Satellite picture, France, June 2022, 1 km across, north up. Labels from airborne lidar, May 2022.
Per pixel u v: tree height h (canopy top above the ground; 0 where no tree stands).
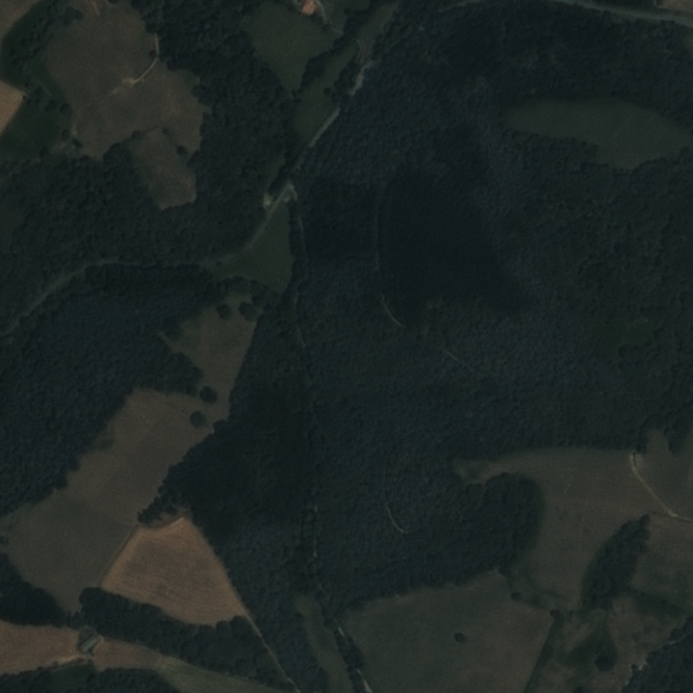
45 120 0
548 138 6
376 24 0
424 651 0
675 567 0
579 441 9
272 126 25
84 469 0
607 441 8
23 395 13
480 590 0
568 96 15
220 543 13
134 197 7
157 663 0
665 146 0
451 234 18
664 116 15
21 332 10
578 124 0
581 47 23
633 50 22
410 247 16
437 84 22
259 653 15
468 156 15
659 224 18
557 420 7
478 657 0
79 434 15
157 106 0
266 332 18
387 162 12
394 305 19
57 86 0
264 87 18
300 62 0
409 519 12
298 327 10
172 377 14
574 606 0
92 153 0
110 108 0
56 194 17
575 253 17
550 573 0
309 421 35
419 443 11
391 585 15
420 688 0
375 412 14
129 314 20
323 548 15
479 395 22
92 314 17
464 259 14
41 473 7
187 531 0
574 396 8
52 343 13
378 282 22
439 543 17
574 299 16
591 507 0
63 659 0
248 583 11
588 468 0
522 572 0
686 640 9
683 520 0
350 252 20
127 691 15
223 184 24
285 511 22
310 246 24
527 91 19
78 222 20
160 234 17
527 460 0
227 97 21
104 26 0
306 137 0
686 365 17
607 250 13
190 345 0
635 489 0
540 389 20
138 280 30
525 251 17
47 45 12
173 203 0
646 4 14
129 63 0
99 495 0
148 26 9
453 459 12
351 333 12
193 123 0
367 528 12
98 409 9
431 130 7
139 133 10
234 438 19
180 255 16
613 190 18
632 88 20
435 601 0
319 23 9
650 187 25
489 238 15
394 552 14
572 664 0
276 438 21
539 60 22
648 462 0
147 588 0
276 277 0
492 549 11
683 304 16
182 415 0
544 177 16
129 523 0
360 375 8
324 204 5
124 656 0
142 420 0
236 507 29
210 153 19
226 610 0
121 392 11
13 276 20
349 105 20
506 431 8
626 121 0
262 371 16
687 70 24
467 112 15
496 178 12
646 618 0
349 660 18
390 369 15
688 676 23
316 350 13
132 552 0
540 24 16
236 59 16
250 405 20
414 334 12
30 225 18
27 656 0
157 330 16
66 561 0
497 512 20
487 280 19
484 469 0
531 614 0
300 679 14
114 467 0
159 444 0
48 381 7
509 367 14
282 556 12
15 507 11
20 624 12
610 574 19
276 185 10
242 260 0
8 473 9
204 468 21
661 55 26
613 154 0
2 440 20
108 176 14
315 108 0
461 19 19
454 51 21
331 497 9
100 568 0
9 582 20
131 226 12
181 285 24
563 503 0
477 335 7
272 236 0
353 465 8
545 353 12
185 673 0
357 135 7
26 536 0
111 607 24
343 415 11
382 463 12
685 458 0
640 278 18
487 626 0
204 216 12
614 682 0
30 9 0
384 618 0
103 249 18
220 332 0
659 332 16
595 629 0
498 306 22
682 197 17
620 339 0
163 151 0
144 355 18
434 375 14
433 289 17
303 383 22
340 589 13
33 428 18
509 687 0
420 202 20
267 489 24
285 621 25
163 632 16
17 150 0
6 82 0
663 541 0
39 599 25
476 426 15
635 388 18
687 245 20
